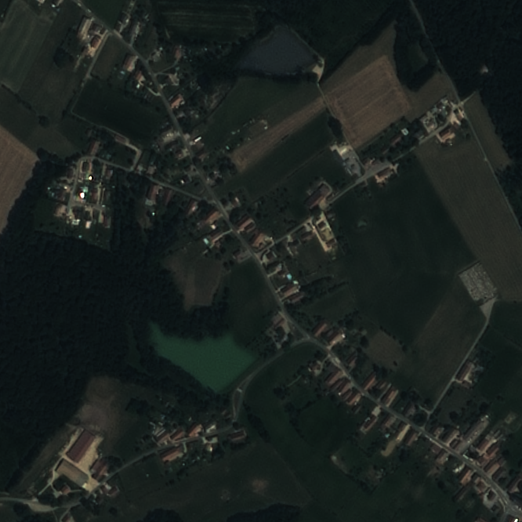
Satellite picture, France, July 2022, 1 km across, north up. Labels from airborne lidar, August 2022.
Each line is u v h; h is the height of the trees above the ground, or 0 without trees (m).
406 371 0
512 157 14
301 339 0
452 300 0
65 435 0
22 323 27
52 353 28
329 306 0
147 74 10
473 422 7
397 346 0
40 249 22
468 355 0
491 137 0
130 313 26
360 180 0
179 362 0
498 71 20
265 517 21
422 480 0
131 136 0
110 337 25
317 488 0
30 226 23
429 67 13
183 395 19
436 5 21
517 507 0
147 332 23
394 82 0
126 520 0
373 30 10
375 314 0
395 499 0
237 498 0
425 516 0
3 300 26
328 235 0
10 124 0
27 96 0
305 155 0
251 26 0
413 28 13
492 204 0
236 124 0
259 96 0
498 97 24
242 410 0
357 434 6
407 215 0
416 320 0
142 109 0
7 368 21
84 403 10
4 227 0
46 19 0
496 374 0
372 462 0
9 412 11
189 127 6
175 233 27
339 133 19
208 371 0
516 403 0
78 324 21
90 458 0
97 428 0
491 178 0
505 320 0
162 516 23
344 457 0
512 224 0
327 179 0
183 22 0
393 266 0
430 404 14
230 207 0
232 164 11
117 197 14
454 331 0
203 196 0
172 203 17
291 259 6
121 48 0
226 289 11
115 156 7
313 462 0
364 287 0
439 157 0
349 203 0
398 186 0
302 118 0
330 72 6
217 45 8
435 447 0
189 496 0
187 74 8
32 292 28
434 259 0
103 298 26
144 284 12
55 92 0
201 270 0
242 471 0
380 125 0
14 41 0
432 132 0
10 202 0
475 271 0
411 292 0
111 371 11
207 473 0
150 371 21
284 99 0
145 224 0
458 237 0
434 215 0
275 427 0
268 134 0
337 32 0
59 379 26
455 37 19
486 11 22
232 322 0
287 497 0
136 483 0
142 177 15
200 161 14
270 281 0
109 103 0
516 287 0
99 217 0
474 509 0
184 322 15
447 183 0
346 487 0
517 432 0
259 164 0
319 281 6
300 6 7
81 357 23
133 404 10
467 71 17
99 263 15
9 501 0
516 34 23
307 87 0
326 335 11
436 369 0
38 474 0
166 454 0
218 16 0
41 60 0
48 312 29
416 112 0
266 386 0
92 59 0
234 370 0
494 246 0
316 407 0
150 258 24
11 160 0
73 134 0
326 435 0
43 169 23
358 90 0
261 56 0
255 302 0
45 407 17
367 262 0
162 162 7
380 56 0
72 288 25
